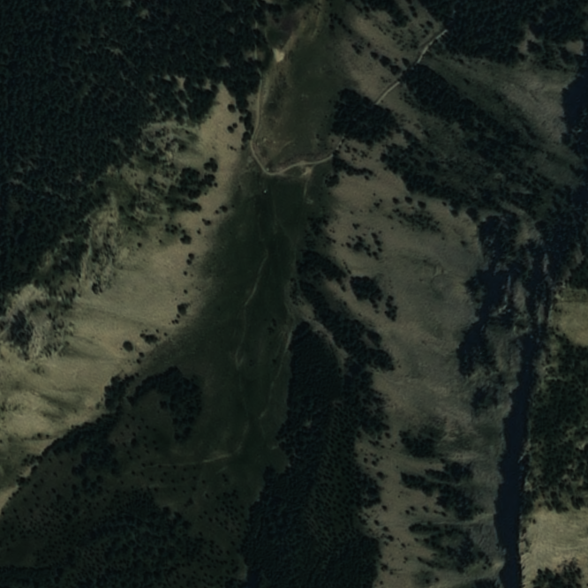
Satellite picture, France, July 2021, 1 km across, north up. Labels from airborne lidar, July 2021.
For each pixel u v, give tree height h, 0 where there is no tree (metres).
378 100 0
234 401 0
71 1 14
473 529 0
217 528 0
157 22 30
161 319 0
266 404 0
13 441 0
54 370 0
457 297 0
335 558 11
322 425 9
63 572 24
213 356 0
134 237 0
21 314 10
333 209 0
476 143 11
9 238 17
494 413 0
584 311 0
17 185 14
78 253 17
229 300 0
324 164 0
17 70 26
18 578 10
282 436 8
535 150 10
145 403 0
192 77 24
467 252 0
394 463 0
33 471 12
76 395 0
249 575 0
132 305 0
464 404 0
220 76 27
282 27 0
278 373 0
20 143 20
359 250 17
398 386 0
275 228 0
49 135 24
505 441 0
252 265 0
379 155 0
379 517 0
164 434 0
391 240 0
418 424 0
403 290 0
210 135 0
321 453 12
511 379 0
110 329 0
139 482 0
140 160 0
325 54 0
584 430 9
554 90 0
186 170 14
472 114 12
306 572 10
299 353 12
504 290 11
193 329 0
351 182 0
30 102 14
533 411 8
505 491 0
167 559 9
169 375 15
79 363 0
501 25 11
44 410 0
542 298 10
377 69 0
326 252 0
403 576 0
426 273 0
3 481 0
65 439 11
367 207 0
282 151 0
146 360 0
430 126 0
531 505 14
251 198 0
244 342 0
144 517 9
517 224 10
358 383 12
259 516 11
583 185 0
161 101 18
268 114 0
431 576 0
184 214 0
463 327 0
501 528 0
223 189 0
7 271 14
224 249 0
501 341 0
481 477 0
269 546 13
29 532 10
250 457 0
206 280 0
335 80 0
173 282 0
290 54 0
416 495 0
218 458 0
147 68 26
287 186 0
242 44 31
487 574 0
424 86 15
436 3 25
